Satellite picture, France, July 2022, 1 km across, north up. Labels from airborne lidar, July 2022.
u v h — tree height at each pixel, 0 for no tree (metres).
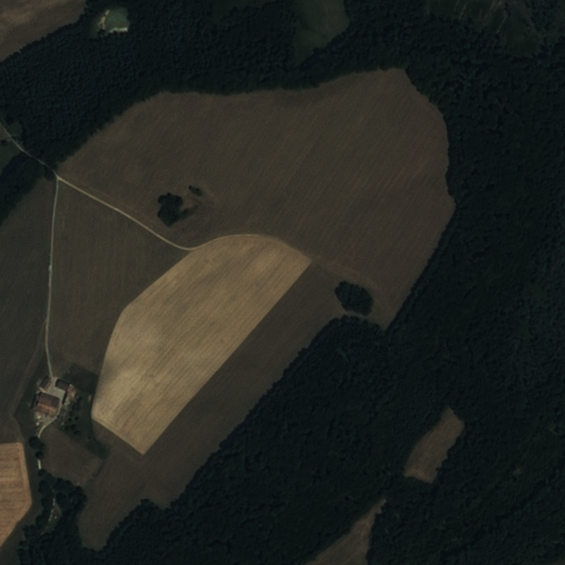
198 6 18
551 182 17
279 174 0
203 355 0
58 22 0
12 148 0
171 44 25
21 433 0
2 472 0
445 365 27
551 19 22
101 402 0
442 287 28
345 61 30
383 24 9
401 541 28
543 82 35
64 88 11
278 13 12
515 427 29
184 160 0
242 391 0
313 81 25
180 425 0
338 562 0
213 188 0
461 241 28
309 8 0
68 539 25
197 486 19
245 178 0
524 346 17
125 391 0
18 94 20
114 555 25
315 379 25
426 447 0
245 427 17
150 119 0
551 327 13
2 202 28
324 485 30
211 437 0
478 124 31
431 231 0
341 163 0
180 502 11
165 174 0
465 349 30
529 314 12
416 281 0
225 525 28
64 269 0
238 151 0
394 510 28
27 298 0
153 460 0
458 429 0
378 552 21
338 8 0
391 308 0
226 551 26
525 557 20
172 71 24
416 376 36
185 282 0
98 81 20
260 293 0
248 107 0
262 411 21
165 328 0
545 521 23
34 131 23
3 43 0
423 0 29
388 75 0
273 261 0
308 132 0
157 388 0
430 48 12
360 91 0
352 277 0
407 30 26
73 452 0
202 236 0
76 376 0
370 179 0
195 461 0
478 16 0
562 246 24
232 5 0
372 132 0
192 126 0
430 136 0
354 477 30
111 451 0
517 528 22
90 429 0
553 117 29
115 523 0
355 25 11
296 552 24
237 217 0
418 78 23
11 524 0
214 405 0
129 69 23
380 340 25
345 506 27
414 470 0
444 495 29
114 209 0
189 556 29
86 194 0
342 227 0
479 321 28
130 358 0
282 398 21
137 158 0
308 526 30
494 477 29
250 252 0
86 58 16
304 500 30
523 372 19
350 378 25
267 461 28
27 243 0
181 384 0
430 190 0
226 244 0
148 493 0
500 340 16
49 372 0
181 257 0
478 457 27
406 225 0
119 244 0
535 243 27
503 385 18
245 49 24
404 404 27
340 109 0
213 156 0
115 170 0
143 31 17
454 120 29
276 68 25
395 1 25
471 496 30
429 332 27
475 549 22
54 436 0
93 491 0
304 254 0
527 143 34
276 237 0
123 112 17
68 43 21
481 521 8
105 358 0
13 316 0
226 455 18
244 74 30
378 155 0
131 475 0
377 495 18
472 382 30
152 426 0
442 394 23
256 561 31
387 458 28
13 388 0
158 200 0
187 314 0
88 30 21
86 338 0
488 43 31
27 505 0
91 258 0
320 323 0
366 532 0
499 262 30
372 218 0
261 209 0
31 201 0
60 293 0
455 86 31
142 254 0
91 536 0
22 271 0
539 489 11
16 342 0
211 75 32
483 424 21
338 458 30
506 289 25
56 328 0
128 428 0
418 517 27
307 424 28
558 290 15
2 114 18
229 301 0
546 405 26
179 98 0
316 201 0
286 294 0
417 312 27
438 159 0
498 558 21
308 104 0
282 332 0
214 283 0
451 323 35
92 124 28
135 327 0
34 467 0
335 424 30
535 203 27
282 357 0
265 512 30
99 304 0
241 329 0
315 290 0
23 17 0
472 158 32
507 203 34
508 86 31
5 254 0
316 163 0
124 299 0
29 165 33
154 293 0
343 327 25
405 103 0
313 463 29
